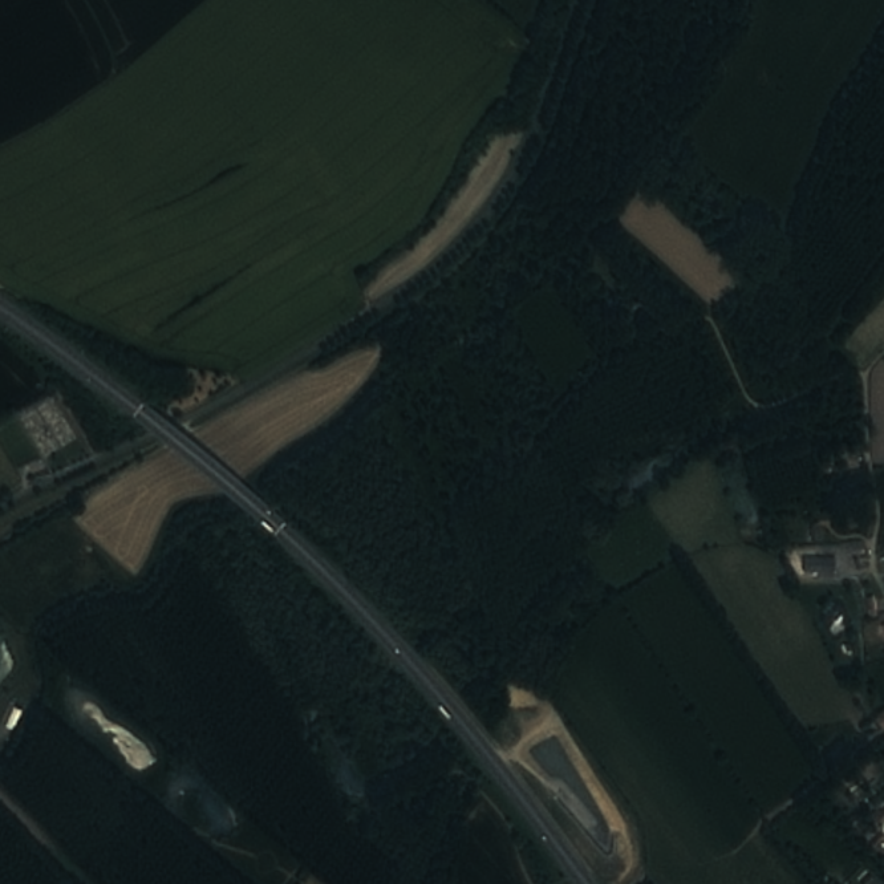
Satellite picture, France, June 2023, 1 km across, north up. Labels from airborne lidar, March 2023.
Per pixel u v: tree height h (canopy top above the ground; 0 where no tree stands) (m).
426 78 0
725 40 29
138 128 0
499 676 21
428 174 0
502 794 0
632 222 0
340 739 13
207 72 0
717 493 0
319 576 0
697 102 28
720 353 7
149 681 24
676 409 21
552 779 0
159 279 0
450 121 0
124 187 0
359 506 23
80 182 0
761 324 27
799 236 23
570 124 26
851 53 0
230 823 0
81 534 0
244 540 21
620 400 24
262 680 25
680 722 0
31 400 11
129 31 0
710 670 0
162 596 25
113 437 8
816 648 0
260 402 0
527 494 25
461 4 0
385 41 0
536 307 0
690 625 0
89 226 0
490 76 0
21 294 0
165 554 7
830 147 22
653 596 0
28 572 0
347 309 0
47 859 22
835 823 6
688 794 0
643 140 30
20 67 0
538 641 29
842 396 19
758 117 0
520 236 19
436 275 14
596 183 31
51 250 0
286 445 0
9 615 0
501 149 0
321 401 0
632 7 30
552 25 23
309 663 25
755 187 0
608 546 0
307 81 0
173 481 0
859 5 0
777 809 0
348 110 0
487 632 31
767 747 0
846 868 0
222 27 0
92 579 0
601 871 0
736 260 38
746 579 0
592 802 0
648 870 0
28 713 22
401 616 19
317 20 0
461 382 0
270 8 0
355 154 0
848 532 0
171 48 0
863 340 0
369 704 10
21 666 0
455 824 23
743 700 0
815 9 0
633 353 22
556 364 0
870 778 0
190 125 0
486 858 0
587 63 26
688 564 27
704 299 0
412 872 29
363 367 0
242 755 24
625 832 0
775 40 0
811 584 0
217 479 0
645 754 0
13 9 0
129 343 0
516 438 22
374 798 33
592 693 0
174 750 26
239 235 0
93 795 27
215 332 0
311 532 12
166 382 11
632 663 0
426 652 12
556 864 0
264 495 14
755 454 30
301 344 0
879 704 0
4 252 0
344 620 11
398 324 14
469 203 0
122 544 0
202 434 0
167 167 0
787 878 0
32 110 0
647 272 14
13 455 0
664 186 38
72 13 0
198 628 27
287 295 0
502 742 0
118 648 22
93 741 0
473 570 26
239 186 0
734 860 0
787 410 36
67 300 0
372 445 27
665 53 25
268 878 0
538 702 0
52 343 0
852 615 0
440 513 0
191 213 0
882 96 19
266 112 0
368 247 0
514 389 21
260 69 0
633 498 11
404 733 10
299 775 21
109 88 0
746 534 0
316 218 0
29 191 0
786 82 0
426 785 14
